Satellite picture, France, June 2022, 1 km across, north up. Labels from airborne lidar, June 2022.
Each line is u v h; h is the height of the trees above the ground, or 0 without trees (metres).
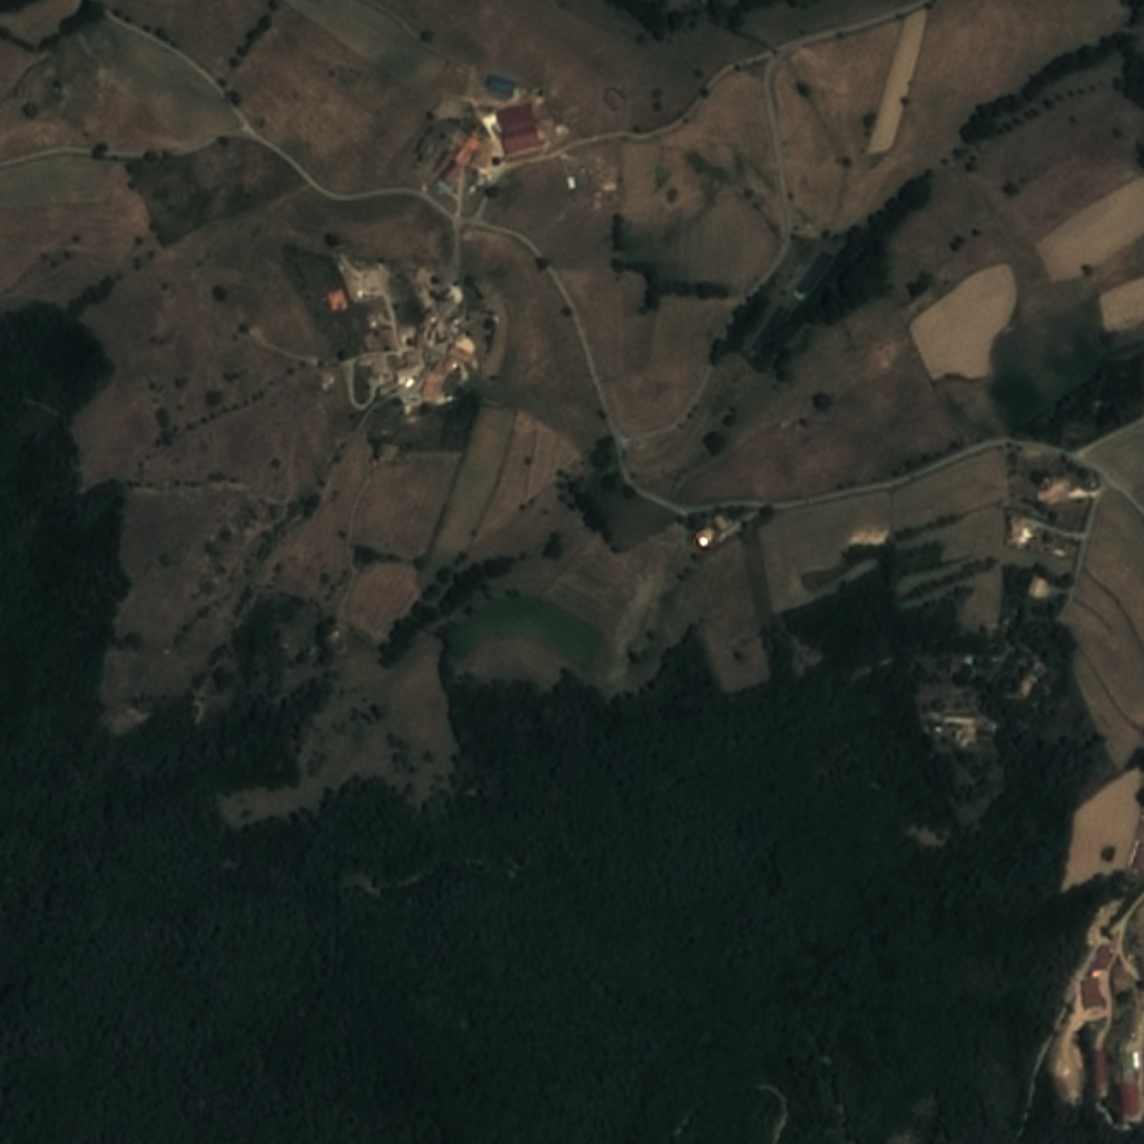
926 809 10
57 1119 23
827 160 0
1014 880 12
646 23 11
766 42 0
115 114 0
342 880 16
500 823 15
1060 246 0
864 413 0
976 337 0
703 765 17
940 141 0
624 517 0
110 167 0
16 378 8
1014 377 0
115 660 0
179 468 0
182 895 19
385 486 0
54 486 16
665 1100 12
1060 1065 0
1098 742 17
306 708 20
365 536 0
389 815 11
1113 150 0
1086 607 0
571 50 0
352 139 0
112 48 0
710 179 0
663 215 0
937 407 0
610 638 0
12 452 12
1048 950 17
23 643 12
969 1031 16
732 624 0
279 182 0
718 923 13
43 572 11
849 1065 17
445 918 16
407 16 0
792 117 0
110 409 0
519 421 0
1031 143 0
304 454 0
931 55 0
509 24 0
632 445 0
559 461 0
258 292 0
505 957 14
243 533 0
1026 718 10
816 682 15
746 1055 13
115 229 0
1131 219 0
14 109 0
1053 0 0
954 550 0
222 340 0
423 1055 12
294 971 9
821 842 16
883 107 0
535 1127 15
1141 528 0
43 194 0
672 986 10
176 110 0
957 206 0
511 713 7
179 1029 20
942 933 17
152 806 13
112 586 11
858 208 0
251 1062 10
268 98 0
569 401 0
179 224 0
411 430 0
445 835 14
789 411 0
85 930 17
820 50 0
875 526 0
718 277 0
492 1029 17
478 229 0
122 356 0
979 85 0
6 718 17
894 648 7
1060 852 15
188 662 0
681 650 10
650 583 0
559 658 0
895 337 0
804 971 10
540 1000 15
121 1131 18
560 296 0
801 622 8
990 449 0
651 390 0
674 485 0
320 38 0
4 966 19
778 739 15
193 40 0
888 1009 14
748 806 12
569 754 19
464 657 0
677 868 14
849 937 10
